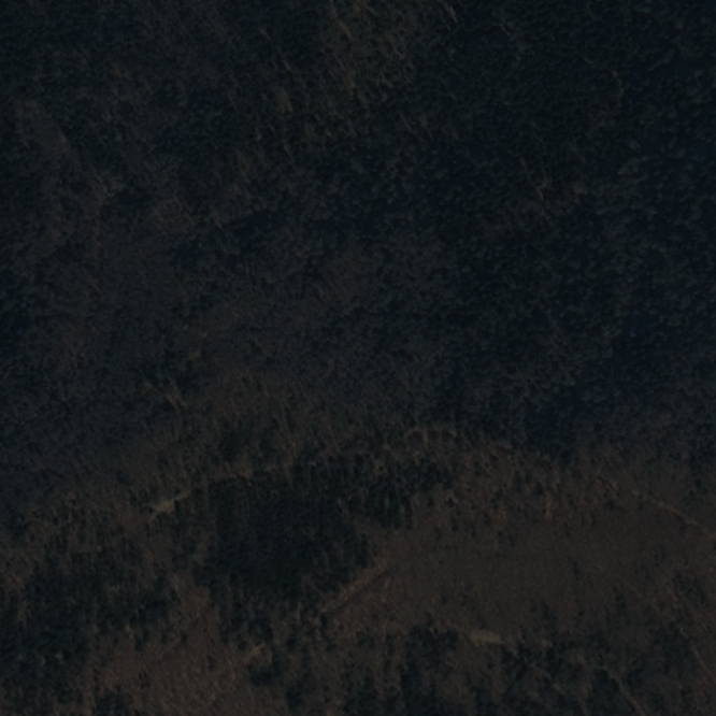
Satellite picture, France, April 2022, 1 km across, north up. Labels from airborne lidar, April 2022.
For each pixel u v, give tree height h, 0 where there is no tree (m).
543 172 20
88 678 22
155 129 20
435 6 28
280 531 22
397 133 28
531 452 15
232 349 16
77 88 13
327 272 28
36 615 20
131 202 18
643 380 24
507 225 19
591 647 23
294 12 29
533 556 18
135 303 20
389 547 22
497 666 22
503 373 19
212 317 17
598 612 23
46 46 20
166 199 17
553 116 25
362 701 25
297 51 26
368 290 35
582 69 27
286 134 30
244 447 20
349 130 27
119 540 12
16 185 16
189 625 17
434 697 23
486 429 18
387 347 24
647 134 23
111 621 17
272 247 25
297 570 23
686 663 22
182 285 13
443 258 33
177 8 28
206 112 26
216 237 18
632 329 23
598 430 21
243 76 26
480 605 21
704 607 19
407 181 30
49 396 22
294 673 24
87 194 24
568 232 24
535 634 22
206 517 18
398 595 21
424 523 23
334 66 29
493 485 26
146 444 13
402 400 19
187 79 26
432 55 36
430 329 28
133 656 20
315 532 20
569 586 23
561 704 23
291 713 20
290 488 23
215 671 22
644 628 20
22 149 26
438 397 21
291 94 29
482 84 33
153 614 19
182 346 18
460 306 21
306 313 29
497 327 28
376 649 22
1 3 21
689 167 27
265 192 33
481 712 24
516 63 28
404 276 34
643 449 19
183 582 20
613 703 23
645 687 21
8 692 25
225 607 23
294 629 24
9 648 24
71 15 31
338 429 19
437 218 34
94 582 17
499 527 21
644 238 38
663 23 23
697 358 29
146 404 16
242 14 29
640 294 22
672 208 27
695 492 19
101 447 19
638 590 19
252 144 31
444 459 17
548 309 22
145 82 29
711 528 11
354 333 28
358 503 21
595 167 32
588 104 23
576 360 28
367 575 21
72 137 21
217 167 22
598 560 20
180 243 21
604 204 33
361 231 26
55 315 27
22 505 15
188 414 17
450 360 27
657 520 13
